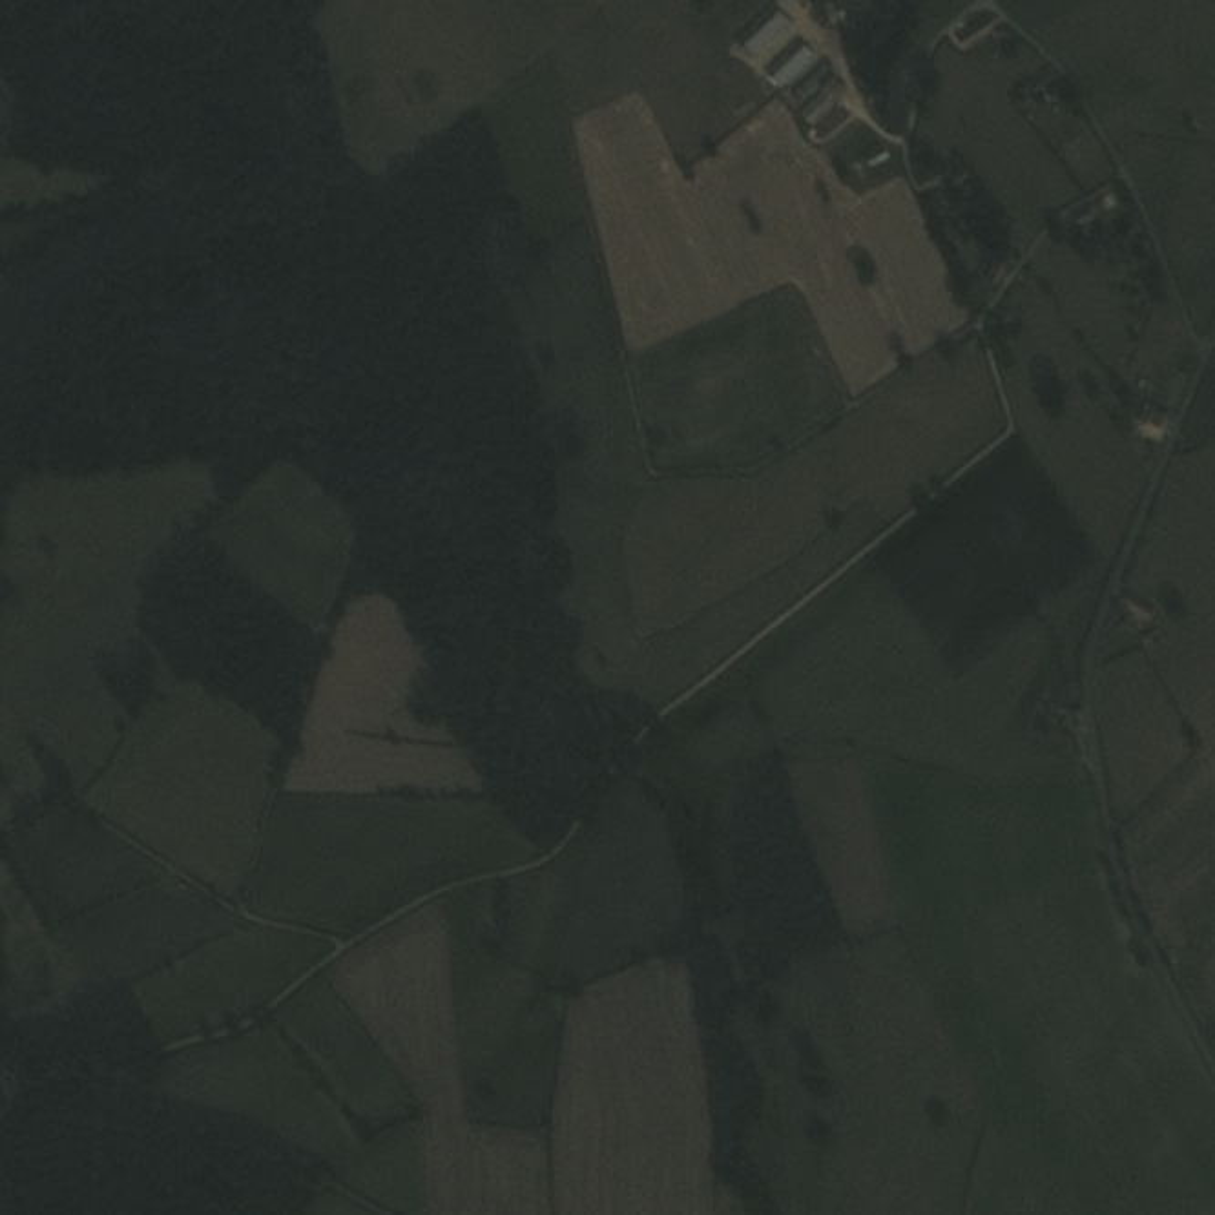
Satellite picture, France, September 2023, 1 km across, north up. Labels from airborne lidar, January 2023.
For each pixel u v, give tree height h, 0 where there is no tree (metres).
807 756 0
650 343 0
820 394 0
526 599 18
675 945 16
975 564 0
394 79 0
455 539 30
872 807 0
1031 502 0
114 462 19
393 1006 0
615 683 0
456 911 0
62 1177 6
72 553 0
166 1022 0
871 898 0
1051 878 0
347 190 5
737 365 0
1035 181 0
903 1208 0
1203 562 0
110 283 18
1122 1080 0
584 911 0
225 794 0
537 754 30
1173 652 0
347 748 0
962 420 0
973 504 0
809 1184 0
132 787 0
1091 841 0
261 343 32
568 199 0
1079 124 0
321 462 15
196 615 6
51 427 20
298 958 0
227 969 0
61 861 0
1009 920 0
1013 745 0
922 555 0
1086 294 0
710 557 0
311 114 13
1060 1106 0
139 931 0
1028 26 0
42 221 8
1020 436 0
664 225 0
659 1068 0
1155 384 0
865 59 16
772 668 0
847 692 0
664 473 0
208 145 11
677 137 0
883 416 0
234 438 17
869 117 0
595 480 0
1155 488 0
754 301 0
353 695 0
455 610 29
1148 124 0
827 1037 0
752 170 0
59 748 0
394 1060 0
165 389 27
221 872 0
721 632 0
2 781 16
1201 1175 0
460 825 0
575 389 0
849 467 0
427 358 24
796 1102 0
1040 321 0
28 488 0
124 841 0
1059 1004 0
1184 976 0
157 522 0
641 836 0
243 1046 0
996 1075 0
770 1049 0
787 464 0
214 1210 16
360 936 0
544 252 9
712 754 0
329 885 0
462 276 17
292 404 32
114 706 0
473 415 23
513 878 0
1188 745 10
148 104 9
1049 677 0
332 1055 0
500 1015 0
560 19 0
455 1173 0
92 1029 12
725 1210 0
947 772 0
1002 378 0
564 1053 0
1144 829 0
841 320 0
